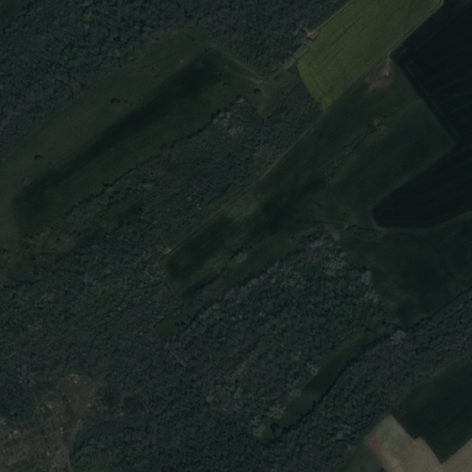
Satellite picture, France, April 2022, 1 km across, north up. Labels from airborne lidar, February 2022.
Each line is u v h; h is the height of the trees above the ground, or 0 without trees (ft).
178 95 0
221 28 76
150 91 0
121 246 92
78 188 0
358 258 0
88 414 0
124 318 65
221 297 0
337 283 70
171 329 0
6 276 0
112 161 0
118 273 77
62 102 69
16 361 85
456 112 0
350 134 0
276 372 70
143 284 84
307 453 78
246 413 81
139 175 31
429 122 0
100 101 0
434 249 0
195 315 0
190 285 0
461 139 0
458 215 0
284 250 0
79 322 74
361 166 0
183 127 0
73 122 0
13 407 22
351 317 53
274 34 70
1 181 0
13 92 27
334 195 0
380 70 0
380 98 0
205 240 0
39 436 0
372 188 0
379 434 0
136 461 29
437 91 0
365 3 0
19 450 0
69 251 0
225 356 63
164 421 39
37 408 0
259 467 64
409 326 0
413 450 0
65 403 0
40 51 85
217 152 75
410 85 0
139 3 75
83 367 66
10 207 0
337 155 0
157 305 55
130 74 0
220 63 0
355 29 0
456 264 0
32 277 0
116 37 71
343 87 0
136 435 69
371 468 0
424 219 0
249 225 0
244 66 0
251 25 79
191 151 69
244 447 74
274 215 0
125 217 0
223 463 58
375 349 47
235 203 0
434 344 47
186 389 64
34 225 0
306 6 68
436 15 0
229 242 0
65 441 0
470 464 0
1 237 0
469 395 0
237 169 60
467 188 0
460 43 0
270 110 0
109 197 50
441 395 0
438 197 0
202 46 0
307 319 82
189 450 66
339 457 48
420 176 0
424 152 0
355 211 0
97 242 65
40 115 56
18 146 37
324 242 61
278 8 70
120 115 0
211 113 0
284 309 63
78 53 79
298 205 0
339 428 75
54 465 0
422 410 0
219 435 58
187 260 0
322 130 0
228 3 34
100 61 88
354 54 0
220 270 0
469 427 0
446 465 0
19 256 0
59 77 86
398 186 0
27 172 0
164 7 82
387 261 0
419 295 0
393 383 65
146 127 0
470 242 0
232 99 0
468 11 0
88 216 94
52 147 0
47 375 76
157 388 54
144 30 64
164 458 56
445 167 0
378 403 27
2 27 0
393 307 0
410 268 0
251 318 49
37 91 86
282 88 0
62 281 82
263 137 75
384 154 0
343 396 59
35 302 72
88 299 93
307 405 0
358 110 0
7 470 0
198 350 69
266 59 53
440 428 0
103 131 0
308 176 0
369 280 84
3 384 96
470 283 0
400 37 0
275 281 76
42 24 38
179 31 57
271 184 0
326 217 0
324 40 0
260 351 72
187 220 75
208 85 0
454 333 21
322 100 0
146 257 97
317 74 0
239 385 62
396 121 0
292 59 75
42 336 71
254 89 0
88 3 77
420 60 0
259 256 0
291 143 24
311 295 66
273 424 0
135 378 26
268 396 57
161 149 0
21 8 0
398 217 0
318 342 67
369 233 27
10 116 79
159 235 83
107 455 64
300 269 54
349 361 0
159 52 0
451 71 0
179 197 63
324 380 0
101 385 0
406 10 0
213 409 92
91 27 66
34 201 0
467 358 0
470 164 0
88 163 0
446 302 0
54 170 0
